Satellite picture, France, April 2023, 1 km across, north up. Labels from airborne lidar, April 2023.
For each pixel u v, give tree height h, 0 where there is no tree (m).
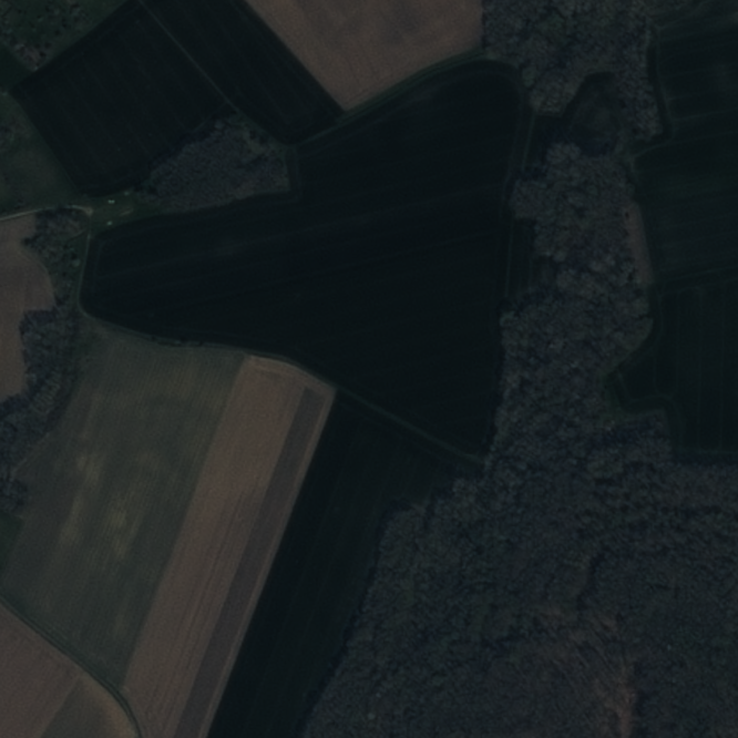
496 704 26
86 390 0
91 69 0
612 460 30
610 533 14
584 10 35
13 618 0
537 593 20
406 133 0
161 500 0
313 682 0
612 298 31
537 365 24
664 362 0
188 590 0
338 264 0
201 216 0
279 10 0
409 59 0
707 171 0
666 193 0
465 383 0
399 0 0
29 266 0
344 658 12
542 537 27
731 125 0
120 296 0
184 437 0
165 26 0
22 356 0
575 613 19
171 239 0
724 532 24
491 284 0
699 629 21
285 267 0
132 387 0
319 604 0
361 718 25
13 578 0
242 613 0
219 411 0
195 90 0
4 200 0
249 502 0
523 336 24
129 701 0
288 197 0
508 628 28
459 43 0
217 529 0
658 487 20
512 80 0
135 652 0
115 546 0
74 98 0
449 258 0
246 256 0
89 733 0
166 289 0
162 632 0
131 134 0
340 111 0
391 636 23
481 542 33
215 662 0
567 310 28
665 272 0
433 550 29
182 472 0
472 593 25
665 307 0
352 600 0
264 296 0
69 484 0
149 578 0
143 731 0
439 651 28
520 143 0
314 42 0
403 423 0
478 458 0
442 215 0
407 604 28
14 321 0
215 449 0
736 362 0
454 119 0
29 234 0
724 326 0
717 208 0
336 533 0
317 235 0
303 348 0
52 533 0
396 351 0
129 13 0
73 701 0
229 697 0
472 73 0
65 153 0
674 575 24
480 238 0
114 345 0
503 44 22
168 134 0
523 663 25
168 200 22
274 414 0
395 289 0
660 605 27
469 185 0
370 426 0
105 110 0
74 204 0
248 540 0
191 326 0
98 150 0
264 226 0
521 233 0
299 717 0
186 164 25
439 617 22
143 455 0
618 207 25
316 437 0
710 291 0
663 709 26
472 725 22
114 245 0
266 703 0
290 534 0
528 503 28
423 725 21
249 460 0
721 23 0
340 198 0
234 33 0
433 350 0
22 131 0
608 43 8
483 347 0
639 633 21
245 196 30
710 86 0
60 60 0
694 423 0
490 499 25
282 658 0
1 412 8
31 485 0
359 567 0
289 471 0
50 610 0
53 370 21
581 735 28
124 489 0
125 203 0
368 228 0
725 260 0
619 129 0
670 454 20
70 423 0
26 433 28
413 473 0
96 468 0
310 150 0
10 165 0
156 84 0
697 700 24
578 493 25
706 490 27
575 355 28
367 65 0
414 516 25
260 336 0
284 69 0
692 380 0
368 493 0
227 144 18
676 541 28
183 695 0
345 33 0
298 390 0
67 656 0
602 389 21
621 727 20
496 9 28
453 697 27
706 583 21
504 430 25
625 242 16
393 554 22
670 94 0
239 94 0
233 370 0
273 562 0
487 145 0
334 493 0
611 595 25
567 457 25
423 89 0
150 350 0
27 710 0
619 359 21
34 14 0
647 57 27
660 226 0
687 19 0
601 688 27
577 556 27
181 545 0
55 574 0
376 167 0
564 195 24
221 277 0
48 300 0
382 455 0
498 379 0
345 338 0
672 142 0
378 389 0
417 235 0
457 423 0
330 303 0
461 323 0
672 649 24
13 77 0
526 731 20
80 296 0
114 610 0
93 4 0
